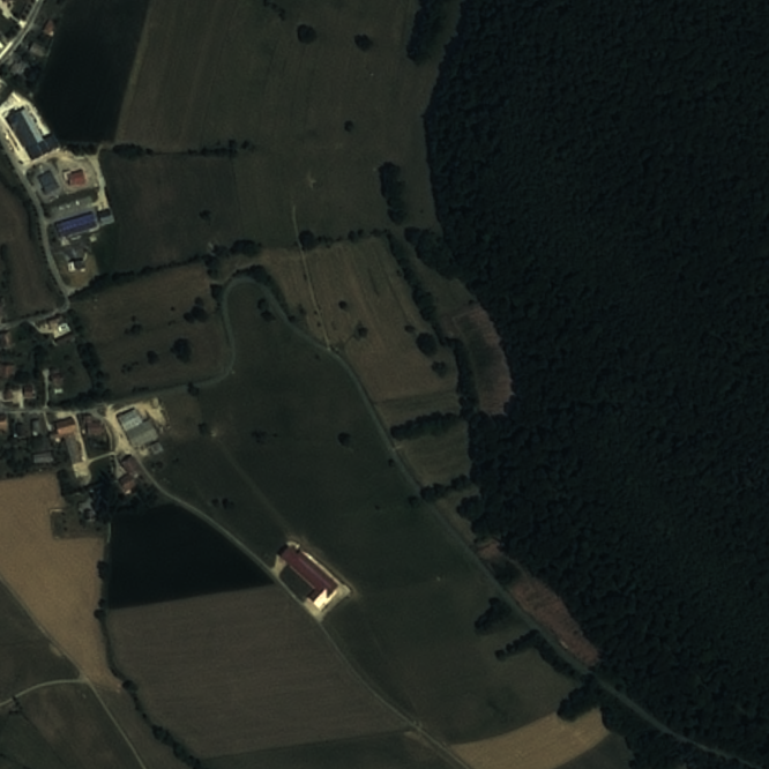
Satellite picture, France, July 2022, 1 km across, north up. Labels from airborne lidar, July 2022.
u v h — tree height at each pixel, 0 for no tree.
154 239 0
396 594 0
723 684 29
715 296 20
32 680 0
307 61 0
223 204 0
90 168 0
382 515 0
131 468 0
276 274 0
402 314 0
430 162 12
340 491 0
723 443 18
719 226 23
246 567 0
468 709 0
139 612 0
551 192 12
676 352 15
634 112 20
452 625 0
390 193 18
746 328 22
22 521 0
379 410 0
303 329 0
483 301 17
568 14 20
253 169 0
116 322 0
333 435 0
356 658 0
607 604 28
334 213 0
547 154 15
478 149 23
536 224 17
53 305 0
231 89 0
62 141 0
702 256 21
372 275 0
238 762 0
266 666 0
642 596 29
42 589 0
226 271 0
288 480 0
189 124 0
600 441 17
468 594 0
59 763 0
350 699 0
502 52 24
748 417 19
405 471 0
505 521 25
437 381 0
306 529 0
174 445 0
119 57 0
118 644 0
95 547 0
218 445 0
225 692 0
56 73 0
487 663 0
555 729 0
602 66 14
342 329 0
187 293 0
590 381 24
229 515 0
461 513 14
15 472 7
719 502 22
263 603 0
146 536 0
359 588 0
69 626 0
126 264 0
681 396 22
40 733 0
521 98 13
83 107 0
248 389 0
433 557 0
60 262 0
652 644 25
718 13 20
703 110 21
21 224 0
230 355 0
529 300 20
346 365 0
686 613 24
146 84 0
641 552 23
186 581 0
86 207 0
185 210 0
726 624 11
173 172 0
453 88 22
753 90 19
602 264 14
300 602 0
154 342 0
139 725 0
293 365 0
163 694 0
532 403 22
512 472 29
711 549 11
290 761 0
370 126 0
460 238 27
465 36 20
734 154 20
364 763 0
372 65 0
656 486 11
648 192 22
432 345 18
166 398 0
